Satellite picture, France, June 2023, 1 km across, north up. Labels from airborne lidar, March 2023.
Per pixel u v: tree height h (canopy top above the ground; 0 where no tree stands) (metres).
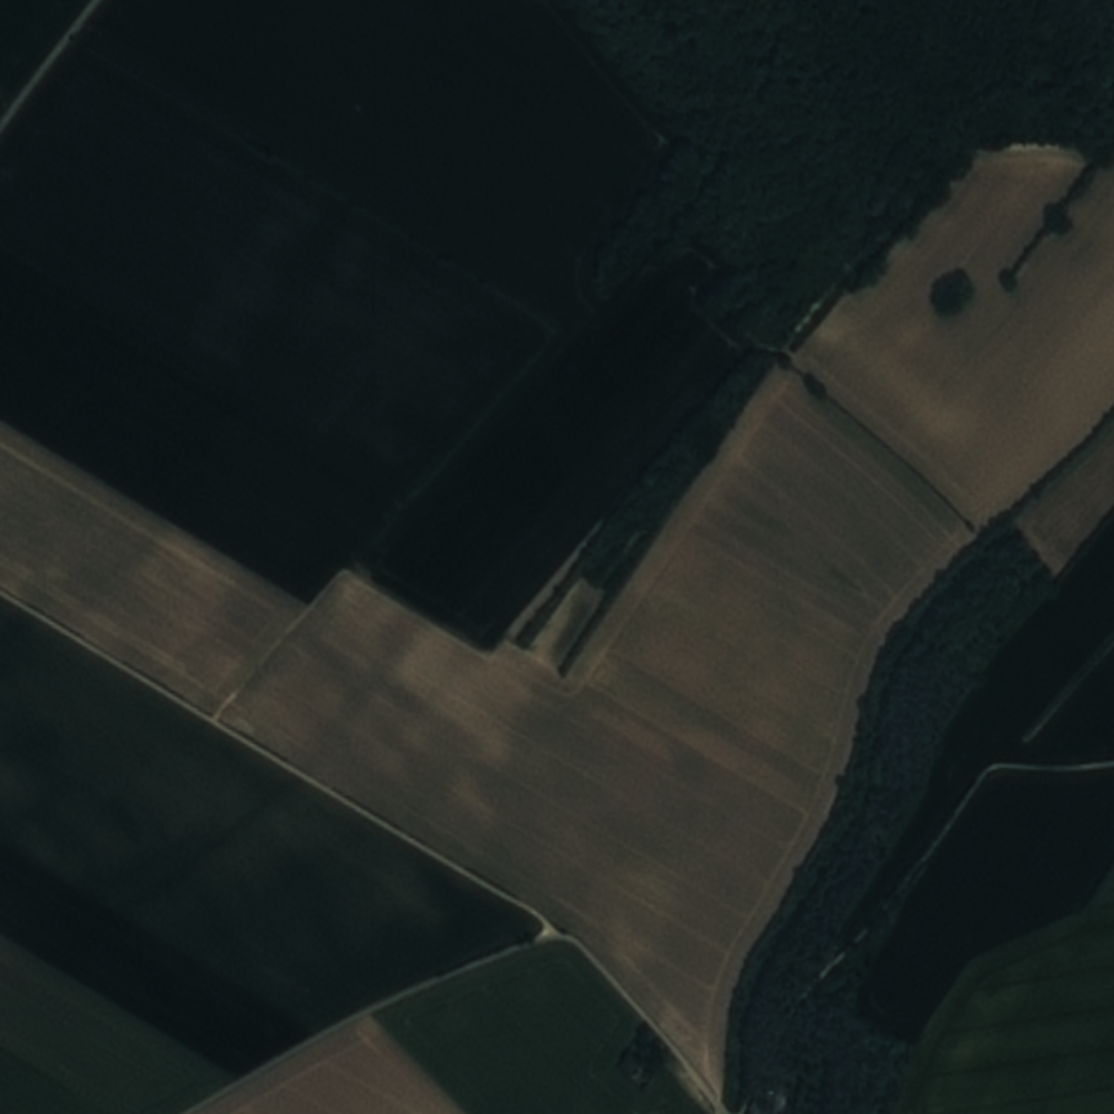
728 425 9
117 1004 0
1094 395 0
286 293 0
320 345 0
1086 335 0
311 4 0
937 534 0
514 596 0
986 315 0
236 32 0
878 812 9
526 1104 0
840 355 0
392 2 0
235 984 0
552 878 0
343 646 0
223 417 0
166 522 0
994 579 19
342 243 0
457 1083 0
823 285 9
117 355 0
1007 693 0
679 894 0
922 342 0
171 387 0
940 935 0
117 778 0
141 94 0
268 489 0
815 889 7
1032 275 0
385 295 0
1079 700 0
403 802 0
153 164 0
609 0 22
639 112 0
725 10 23
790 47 20
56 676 0
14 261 0
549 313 0
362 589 0
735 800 0
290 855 0
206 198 0
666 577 0
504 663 0
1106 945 0
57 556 0
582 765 0
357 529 0
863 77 20
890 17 15
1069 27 17
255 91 0
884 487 0
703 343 0
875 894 0
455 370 0
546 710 0
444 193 0
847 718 0
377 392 0
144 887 0
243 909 0
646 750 0
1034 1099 0
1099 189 0
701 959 0
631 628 0
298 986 0
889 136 16
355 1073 0
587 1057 0
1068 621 0
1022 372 0
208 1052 0
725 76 20
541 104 0
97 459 0
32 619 0
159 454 0
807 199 16
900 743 14
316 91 0
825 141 19
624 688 0
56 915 0
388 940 0
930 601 5
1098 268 0
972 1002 0
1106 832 0
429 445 0
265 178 0
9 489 0
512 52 0
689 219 20
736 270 9
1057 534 0
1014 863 0
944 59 16
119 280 0
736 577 0
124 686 0
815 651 0
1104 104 21
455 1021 0
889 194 18
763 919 0
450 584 0
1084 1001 0
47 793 0
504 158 0
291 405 0
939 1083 0
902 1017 0
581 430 0
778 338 7
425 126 0
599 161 0
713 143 15
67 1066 0
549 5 0
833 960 0
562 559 0
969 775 0
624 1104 0
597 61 0
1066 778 0
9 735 0
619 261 14
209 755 0
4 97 0
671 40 19
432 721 0
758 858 0
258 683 0
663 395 0
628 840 0
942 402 0
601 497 0
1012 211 0
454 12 0
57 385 0
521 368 0
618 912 0
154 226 0
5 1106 0
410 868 0
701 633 0
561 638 0
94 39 0
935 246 0
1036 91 22
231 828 0
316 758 0
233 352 0
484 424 0
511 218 0
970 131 18
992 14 16
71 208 0
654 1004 0
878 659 8
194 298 0
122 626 0
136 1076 0
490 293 0
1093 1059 0
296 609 0
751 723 0
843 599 0
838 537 0
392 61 0
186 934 0
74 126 0
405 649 0
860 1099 16
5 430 0
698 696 0
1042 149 0
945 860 0
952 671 15
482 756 0
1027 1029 0
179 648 0
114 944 0
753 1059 17
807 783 0
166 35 0
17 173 0
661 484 9
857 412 0
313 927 0
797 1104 10
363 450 0
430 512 0
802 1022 14
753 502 0
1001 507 0
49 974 0
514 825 0
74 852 0
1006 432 0
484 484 0
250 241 0
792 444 0
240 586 0
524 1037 0
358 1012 0
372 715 0
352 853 0
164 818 0
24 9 0
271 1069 0
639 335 0
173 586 0
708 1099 0
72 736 0
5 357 0
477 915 0
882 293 0
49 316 0
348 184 0
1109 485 0
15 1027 0
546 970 0
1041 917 0
